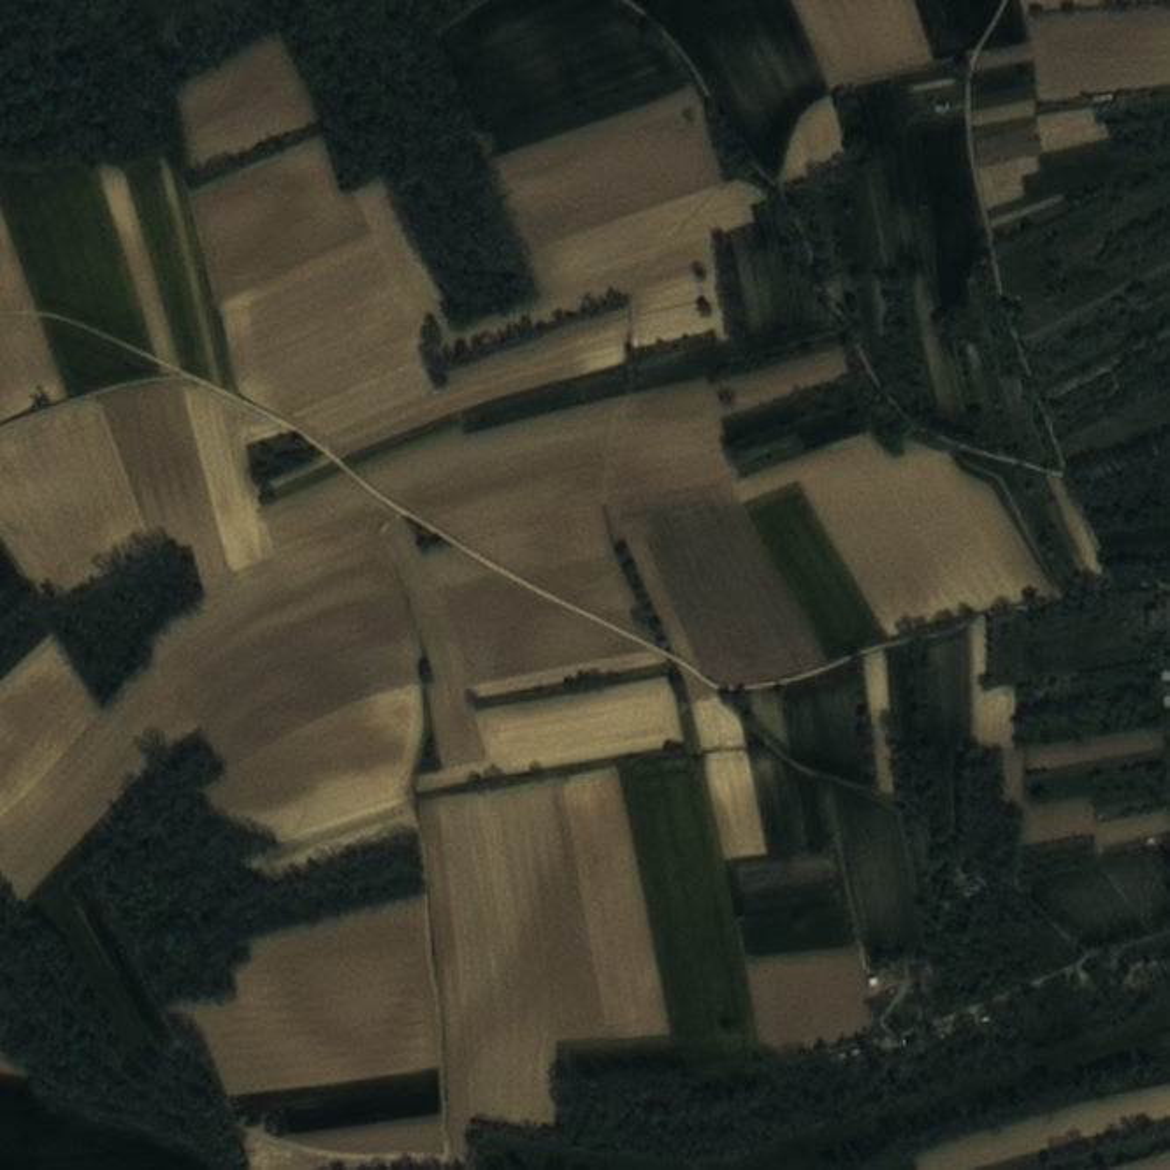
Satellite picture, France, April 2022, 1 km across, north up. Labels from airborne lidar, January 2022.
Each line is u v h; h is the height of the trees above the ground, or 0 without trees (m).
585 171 0
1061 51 0
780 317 0
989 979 12
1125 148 9
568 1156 0
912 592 0
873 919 0
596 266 0
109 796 0
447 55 30
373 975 0
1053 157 0
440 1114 0
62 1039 28
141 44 25
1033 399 11
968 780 16
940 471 0
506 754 0
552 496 0
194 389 0
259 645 0
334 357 0
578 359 0
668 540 0
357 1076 0
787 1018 0
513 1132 14
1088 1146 18
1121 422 0
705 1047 0
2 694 0
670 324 0
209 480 0
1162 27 0
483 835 0
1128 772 8
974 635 0
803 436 0
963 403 0
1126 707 12
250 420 0
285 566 0
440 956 0
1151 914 0
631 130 0
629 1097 19
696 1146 20
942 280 0
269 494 12
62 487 0
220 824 22
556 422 0
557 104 0
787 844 0
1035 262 0
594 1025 0
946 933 7
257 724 0
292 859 0
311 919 20
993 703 0
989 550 0
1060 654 0
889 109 0
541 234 0
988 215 0
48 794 0
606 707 0
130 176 0
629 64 0
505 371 0
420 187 22
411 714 0
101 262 0
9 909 24
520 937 0
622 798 0
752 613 0
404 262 0
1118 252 9
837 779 0
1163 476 23
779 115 0
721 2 0
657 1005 0
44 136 29
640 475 0
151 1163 0
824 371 0
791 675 0
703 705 0
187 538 0
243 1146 24
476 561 0
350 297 0
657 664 0
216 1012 0
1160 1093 0
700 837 0
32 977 29
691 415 0
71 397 0
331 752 0
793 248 9
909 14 0
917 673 8
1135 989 6
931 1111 0
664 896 0
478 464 0
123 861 28
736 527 0
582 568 0
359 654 0
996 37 0
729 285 10
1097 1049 0
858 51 0
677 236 0
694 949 0
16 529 0
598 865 0
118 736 0
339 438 0
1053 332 0
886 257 0
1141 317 9
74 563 0
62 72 23
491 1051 0
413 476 0
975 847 14
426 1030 0
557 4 0
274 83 0
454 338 0
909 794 8
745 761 0
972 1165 0
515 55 0
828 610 0
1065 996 0
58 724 0
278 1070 0
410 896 17
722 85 0
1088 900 0
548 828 0
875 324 0
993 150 0
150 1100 26
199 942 24
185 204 0
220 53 23
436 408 0
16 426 0
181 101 0
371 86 26
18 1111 0
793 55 0
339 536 0
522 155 0
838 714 0
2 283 0
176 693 0
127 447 0
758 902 0
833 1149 0
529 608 0
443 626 0
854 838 0
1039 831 0
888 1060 7
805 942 0
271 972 0
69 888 0
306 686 0
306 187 0
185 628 0
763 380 0
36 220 0
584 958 0
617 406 0
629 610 0
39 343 0
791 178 0
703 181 0
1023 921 19
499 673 0
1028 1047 19
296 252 0
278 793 0
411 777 0
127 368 0
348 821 0
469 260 16
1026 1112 24
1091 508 7
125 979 0
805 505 0
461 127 29
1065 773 0
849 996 0
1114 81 0
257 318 0
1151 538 0
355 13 28
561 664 0
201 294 0
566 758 0
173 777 25
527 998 0
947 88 0
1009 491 0
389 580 0
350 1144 0
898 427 13
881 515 0
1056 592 0
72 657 24
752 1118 22
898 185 0
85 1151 0
